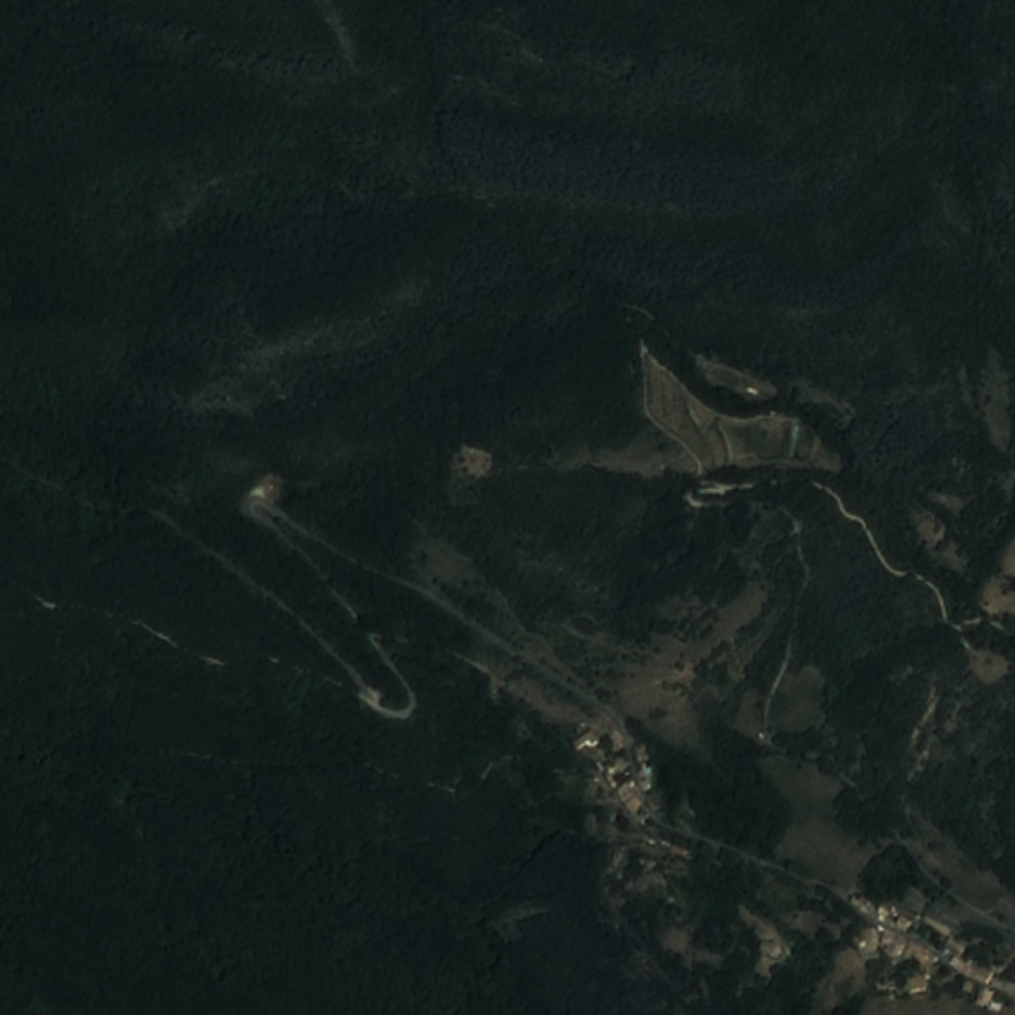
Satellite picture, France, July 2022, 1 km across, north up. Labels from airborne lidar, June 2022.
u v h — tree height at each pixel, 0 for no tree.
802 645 8
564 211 6
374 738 15
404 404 11
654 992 8
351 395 10
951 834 9
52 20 17
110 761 17
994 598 0
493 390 8
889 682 9
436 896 19
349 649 14
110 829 13
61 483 14
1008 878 10
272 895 16
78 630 10
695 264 7
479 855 10
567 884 10
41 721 14
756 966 11
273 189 8
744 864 10
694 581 6
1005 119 6
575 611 7
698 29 8
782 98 8
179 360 11
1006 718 8
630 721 7
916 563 7
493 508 7
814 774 0
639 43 8
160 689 12
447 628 9
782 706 0
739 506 11
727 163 16
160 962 16
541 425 7
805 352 7
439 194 8
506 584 10
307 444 6
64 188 15
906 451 16
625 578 11
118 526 14
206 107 12
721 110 11
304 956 17
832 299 10
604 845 7
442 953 16
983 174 11
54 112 7
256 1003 18
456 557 0
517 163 13
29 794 19
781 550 9
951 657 6
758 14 13
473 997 20
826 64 12
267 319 9
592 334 9
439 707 13
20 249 20
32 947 19
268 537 14
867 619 9
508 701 8
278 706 16
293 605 13
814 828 0
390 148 11
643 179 15
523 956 12
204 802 18
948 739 5
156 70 17
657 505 11
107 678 19
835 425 7
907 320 7
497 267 12
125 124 11
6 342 7
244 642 10
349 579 11
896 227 9
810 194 11
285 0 7
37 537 12
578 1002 9
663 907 8
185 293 11
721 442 0
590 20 9
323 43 8
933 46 11
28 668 14
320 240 12
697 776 14
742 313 6
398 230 10
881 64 11
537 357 11
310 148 13
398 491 14
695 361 12
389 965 11
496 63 6
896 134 7
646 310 8
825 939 13
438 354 7
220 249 14
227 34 12
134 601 13
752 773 13
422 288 8
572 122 7
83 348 10
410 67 19
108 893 16
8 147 9
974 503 9
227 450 10
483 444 8
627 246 12
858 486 7
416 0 14
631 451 0
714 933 10
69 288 18
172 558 10
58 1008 15
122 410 17
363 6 8
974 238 8
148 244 12
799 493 9
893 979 9
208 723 13
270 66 14
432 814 11
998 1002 9
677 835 8
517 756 7
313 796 17
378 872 24
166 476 7
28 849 20
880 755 11
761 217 7
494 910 8
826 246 6
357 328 9
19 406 17
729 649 7
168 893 16
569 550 7
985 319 11
